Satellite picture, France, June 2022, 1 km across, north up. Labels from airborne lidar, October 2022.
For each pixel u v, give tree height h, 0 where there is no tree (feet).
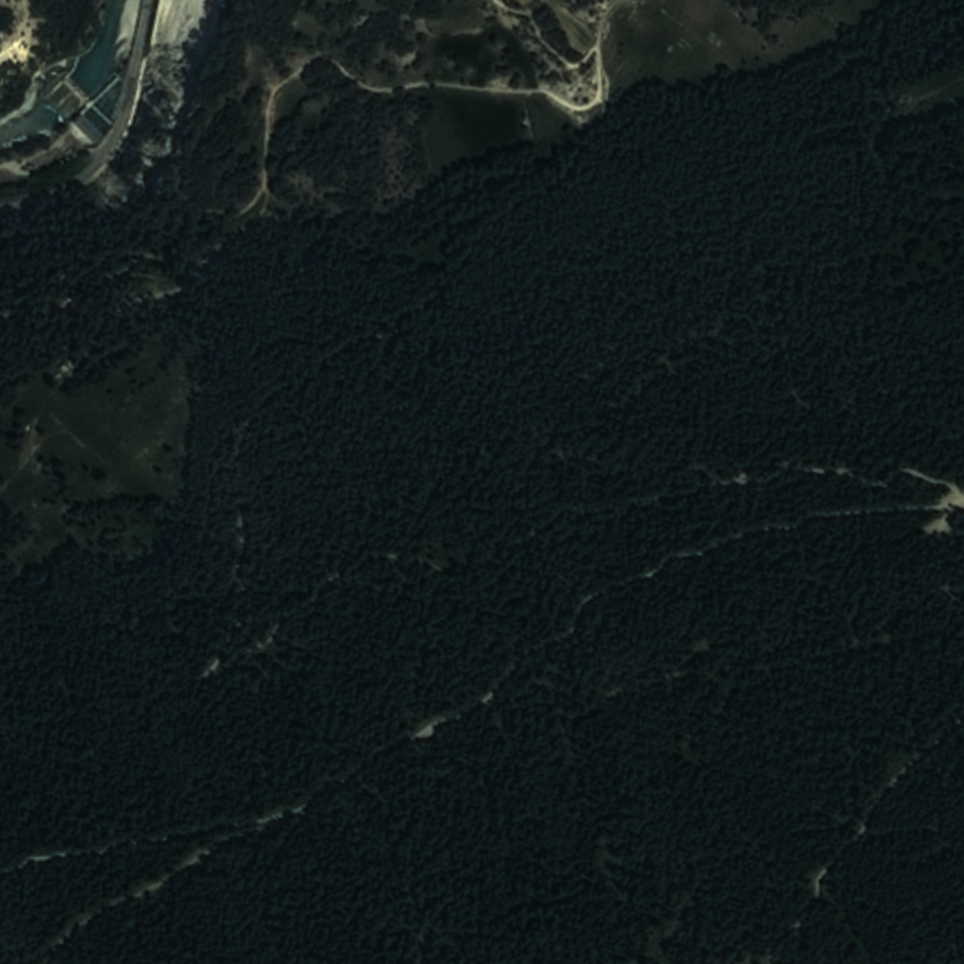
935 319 74
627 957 37
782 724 43
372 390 97
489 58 0
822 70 76
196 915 66
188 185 22
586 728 52
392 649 82
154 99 21
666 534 78
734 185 68
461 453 76
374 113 31
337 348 87
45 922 32
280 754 76
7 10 32
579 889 85
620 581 50
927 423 58
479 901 94
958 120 83
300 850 59
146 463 0
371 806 62
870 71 63
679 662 64
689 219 52
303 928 64
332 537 67
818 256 70
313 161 40
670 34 0
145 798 85
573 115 0
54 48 53
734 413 56
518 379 77
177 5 0
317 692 82
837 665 65
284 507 43
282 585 45
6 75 43
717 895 51
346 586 44
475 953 93
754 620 67
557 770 55
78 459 0
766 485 44
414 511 45
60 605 77
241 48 44
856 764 35
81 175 0
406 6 27
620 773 96
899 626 65
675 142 79
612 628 56
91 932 47
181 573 73
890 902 69
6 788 32
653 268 53
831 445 59
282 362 86
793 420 57
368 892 80
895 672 73
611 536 77
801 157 84
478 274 73
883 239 104
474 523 70
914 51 91
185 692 79
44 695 75
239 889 81
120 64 0
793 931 61
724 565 88
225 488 51
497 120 0
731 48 0
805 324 94
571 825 75
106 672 83
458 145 0
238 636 68
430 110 39
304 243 23
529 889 90
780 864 76
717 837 41
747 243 70
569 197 62
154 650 88
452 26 0
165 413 0
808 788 50
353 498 51
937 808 39
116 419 0
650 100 72
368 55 40
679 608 72
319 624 82
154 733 95
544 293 65
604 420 85
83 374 44
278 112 0
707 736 64
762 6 29
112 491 0
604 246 59
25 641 92
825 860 61
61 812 37
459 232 62
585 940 47
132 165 33
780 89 89
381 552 64
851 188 75
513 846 89
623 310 78
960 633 82
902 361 84
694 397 70
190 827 73
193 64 0
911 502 52
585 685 65
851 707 47
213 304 92
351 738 52
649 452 69
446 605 86
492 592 85
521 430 71
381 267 99
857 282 80
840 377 64
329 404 47
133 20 0
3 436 59
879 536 59
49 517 0
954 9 43
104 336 61
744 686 44
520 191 94
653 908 47
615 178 73
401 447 38
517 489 94
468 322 64
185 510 65
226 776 58
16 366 65
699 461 59
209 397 35
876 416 75
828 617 97
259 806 76
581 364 61
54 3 43
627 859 68
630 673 64
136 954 62
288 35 31
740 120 63
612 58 0
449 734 57
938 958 62
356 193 50
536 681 60
